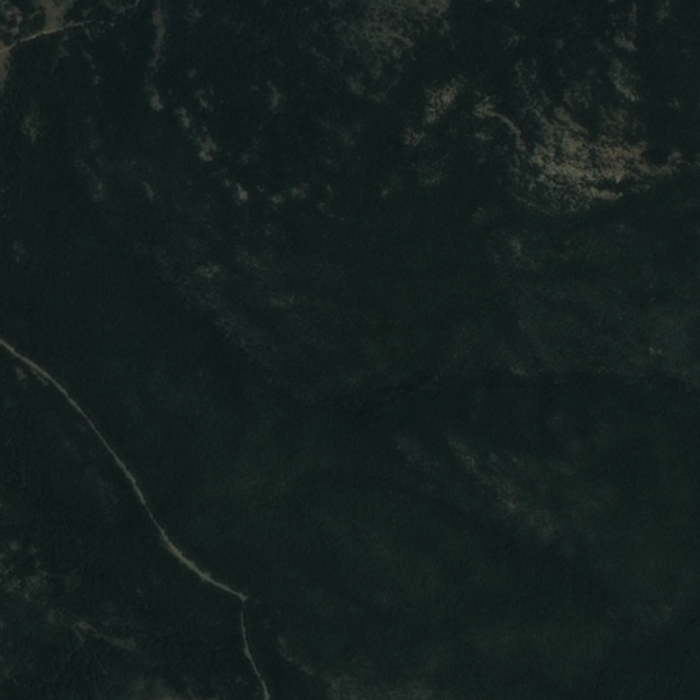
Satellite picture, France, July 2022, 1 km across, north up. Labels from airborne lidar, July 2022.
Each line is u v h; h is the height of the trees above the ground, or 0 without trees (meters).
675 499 7
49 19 0
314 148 7
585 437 6
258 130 6
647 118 8
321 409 8
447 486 7
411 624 6
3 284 10
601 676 9
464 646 8
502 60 11
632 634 6
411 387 6
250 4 6
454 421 6
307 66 6
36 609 6
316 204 6
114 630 6
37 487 6
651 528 6
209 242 6
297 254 5
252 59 7
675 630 10
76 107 7
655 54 9
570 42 6
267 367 5
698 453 7
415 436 5
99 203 7
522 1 6
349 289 7
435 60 7
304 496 7
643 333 6
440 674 7
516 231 6
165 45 6
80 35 7
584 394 7
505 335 6
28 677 7
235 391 9
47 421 6
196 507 6
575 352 6
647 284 7
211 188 7
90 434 5
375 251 9
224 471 6
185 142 7
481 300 8
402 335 7
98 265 9
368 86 5
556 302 6
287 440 6
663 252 7
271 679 7
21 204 11
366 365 6
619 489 7
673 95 7
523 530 6
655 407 6
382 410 7
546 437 6
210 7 6
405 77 7
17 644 7
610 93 6
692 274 6
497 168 7
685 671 8
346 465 7
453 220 10
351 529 5
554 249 9
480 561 6
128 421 7
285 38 6
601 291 6
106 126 6
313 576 7
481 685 8
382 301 7
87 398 7
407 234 8
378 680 5
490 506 6
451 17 6
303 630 6
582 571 9
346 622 7
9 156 11
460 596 7
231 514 7
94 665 7
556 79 6
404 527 7
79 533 8
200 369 5
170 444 7
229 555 9
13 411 8
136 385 9
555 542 7
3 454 9
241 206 5
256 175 6
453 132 6
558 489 6
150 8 7
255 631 6
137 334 7
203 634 6
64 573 6
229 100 6
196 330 9
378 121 6
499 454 5
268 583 8
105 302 7
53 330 9
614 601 8
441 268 7
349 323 7
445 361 7
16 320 11
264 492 8
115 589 7
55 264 11
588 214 7
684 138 9
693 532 6
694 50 8
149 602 6
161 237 6
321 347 5
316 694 7
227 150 6
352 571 6
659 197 6
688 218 7
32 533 7
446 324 9
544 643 6
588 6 7
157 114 7
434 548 7
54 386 6
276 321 5
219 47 5
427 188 8
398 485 9
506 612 7
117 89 6
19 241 8
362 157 6
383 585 6
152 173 6
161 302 9
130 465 5
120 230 6
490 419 6
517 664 8
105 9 6
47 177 12
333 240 7
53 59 11
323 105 6
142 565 7
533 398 6
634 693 7
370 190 7
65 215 9
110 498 5
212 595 7
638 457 7
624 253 6
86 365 8
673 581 6
